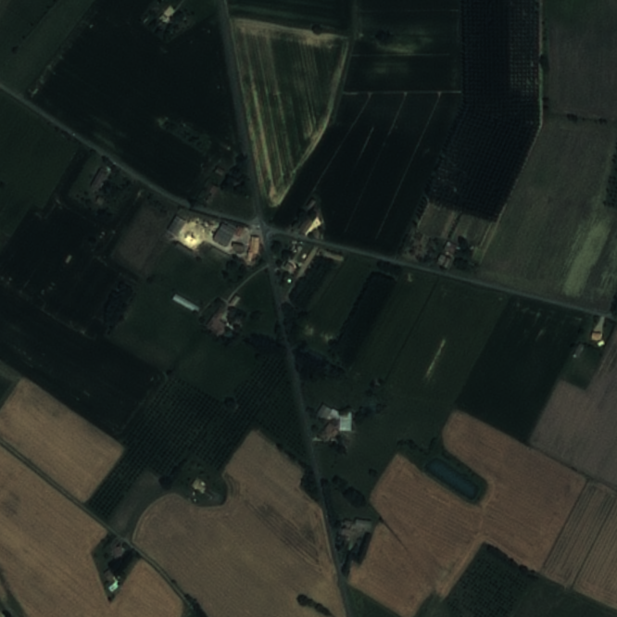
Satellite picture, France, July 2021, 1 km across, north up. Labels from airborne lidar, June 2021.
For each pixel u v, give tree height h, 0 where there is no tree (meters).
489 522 0
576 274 0
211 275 0
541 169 0
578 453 0
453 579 0
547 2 0
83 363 0
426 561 0
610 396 0
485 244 0
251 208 0
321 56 0
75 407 0
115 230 0
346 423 0
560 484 0
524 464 0
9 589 0
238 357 0
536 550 0
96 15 0
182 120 0
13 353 0
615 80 0
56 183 0
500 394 0
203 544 0
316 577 0
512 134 24
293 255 13
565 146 0
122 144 0
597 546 0
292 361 0
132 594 0
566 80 0
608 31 0
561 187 0
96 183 0
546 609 0
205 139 0
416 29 0
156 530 0
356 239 0
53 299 0
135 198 0
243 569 0
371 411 18
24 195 0
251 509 0
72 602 0
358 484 0
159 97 0
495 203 24
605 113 0
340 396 0
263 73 0
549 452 0
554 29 0
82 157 0
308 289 13
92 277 0
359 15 0
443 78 0
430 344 0
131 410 0
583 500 0
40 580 0
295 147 0
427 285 0
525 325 0
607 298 0
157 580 0
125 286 13
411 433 0
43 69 0
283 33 0
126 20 0
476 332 0
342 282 0
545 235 0
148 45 0
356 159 0
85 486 0
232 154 0
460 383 0
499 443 0
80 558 0
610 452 0
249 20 0
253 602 0
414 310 0
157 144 0
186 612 0
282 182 0
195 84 0
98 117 0
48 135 0
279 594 0
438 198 19
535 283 0
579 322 0
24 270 0
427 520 0
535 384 0
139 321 0
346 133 0
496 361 0
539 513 0
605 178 0
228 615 0
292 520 0
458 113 0
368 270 0
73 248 0
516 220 0
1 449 0
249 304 0
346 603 0
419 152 0
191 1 0
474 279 0
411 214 0
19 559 0
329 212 0
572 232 0
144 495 0
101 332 0
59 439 0
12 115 0
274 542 0
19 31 0
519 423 0
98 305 0
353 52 0
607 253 0
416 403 0
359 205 0
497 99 24
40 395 0
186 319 0
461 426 0
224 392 0
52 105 0
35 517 0
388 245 0
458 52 0
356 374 0
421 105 0
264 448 0
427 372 0
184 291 0
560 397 0
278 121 0
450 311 0
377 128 0
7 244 0
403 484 0
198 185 0
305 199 0
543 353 0
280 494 0
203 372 0
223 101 0
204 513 0
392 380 0
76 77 0
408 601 0
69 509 0
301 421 0
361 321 14
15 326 0
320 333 0
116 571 18
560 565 0
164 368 0
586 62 0
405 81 0
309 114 0
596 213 0
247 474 0
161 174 0
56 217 0
